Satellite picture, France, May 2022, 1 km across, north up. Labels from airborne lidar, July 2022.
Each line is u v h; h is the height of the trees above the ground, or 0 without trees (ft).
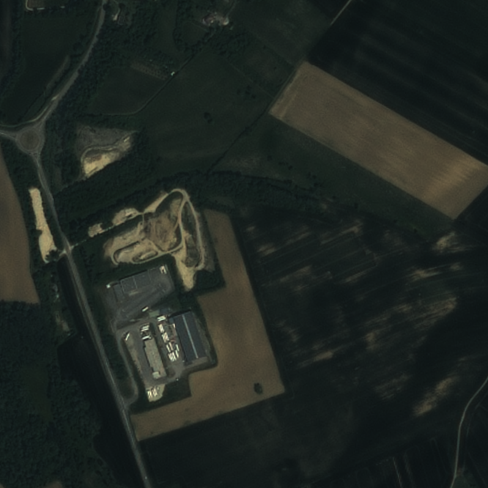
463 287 0
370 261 0
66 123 42
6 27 0
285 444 0
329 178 0
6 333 129
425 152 0
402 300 0
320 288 0
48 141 21
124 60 47
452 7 0
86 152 0
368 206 0
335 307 0
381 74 0
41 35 0
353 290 0
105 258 0
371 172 0
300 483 0
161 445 0
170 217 0
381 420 0
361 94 0
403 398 0
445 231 0
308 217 0
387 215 0
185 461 0
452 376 0
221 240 0
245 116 0
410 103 0
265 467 0
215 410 0
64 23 0
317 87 0
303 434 0
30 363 122
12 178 28
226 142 0
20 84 0
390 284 0
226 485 0
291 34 0
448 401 0
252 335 0
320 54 0
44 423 55
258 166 0
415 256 0
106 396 0
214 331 0
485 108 0
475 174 0
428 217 0
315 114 0
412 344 0
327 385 0
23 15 54
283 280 0
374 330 0
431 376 0
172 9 0
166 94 0
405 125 0
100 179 51
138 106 0
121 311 0
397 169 0
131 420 0
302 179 0
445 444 0
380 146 0
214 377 0
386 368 0
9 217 0
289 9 0
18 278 0
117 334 0
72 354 0
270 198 67
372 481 0
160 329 0
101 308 0
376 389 0
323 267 0
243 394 0
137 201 49
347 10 0
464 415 0
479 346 0
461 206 0
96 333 0
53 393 57
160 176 0
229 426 0
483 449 0
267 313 0
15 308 57
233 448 0
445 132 0
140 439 0
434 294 0
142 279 0
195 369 0
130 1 21
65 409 39
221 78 0
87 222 48
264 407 0
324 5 0
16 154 21
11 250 0
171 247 0
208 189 53
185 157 0
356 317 0
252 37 18
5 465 81
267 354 0
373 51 0
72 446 23
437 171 0
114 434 0
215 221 0
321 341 0
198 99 0
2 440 102
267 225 0
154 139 0
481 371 0
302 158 0
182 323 0
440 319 0
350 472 0
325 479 0
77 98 62
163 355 0
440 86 0
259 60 0
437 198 0
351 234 0
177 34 25
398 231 0
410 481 0
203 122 0
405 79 0
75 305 0
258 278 0
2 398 70
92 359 0
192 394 0
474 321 0
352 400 0
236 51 45
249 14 0
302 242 0
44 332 129
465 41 0
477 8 0
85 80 25
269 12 0
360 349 0
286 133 0
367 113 0
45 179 0
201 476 0
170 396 0
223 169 0
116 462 0
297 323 0
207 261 0
